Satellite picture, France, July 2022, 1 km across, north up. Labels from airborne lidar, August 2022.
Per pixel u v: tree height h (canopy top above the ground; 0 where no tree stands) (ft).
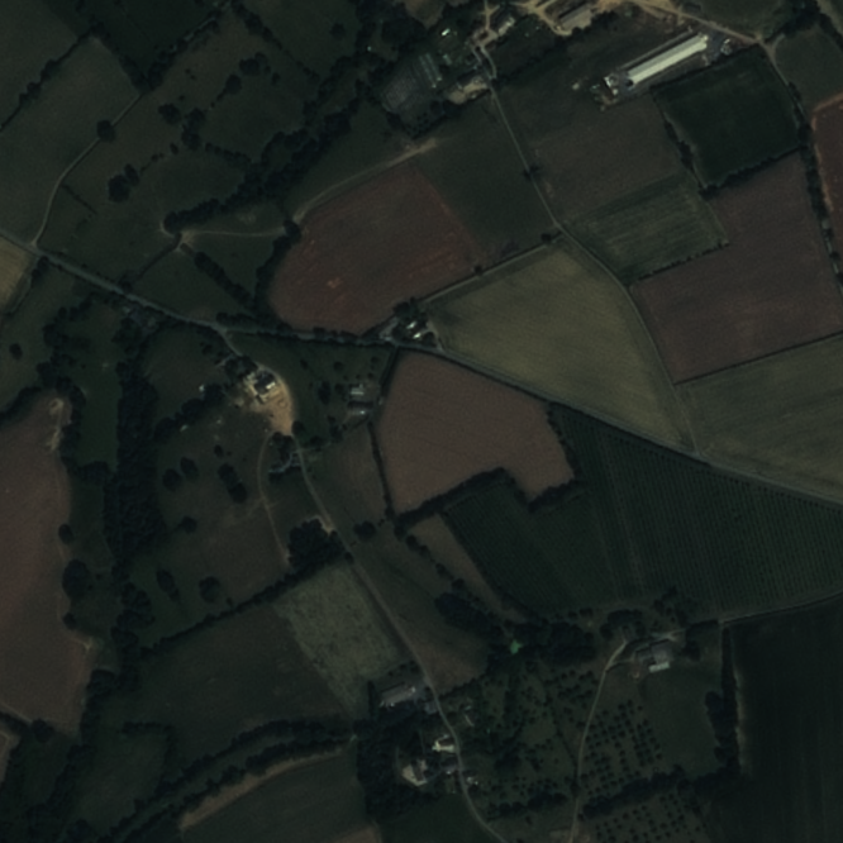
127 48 0
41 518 0
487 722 18
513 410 0
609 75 0
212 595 52
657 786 56
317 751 54
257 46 0
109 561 0
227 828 0
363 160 0
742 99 0
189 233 0
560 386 0
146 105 0
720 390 0
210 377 0
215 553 0
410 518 49
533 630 65
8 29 0
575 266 0
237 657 0
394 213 0
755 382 0
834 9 0
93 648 0
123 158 0
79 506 0
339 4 0
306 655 0
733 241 0
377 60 32
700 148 0
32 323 0
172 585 43
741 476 0
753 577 20
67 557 0
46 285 0
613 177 0
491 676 35
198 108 0
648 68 0
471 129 0
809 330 0
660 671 0
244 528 0
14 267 0
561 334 0
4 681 0
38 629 0
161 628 0
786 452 0
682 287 0
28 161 0
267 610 0
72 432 58
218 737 0
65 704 0
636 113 0
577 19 0
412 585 0
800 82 0
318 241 0
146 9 0
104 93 0
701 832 17
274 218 0
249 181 52
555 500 63
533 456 0
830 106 0
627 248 0
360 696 0
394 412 0
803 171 0
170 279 0
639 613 27
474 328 0
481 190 0
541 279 0
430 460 0
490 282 0
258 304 38
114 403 0
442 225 0
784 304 0
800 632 0
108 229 0
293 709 0
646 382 0
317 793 0
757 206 0
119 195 66
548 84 0
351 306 0
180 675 0
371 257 0
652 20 0
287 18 0
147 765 0
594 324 0
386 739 61
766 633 0
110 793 0
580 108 0
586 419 27
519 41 0
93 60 0
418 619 0
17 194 0
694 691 0
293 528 0
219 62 0
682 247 0
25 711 0
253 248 0
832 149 0
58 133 0
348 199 0
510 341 0
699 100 0
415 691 0
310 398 0
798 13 35
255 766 56
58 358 52
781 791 0
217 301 0
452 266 0
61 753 0
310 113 57
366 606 0
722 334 0
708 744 0
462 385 0
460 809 0
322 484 0
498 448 0
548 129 0
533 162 0
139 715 0
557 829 0
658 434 0
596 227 0
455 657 0
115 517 64
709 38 0
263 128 0
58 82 0
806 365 0
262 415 0
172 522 0
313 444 29
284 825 0
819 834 0
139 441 62
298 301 0
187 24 0
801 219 0
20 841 0
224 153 28
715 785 54
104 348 0
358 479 0
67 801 61
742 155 0
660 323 0
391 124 54
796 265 0
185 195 0
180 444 0
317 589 0
